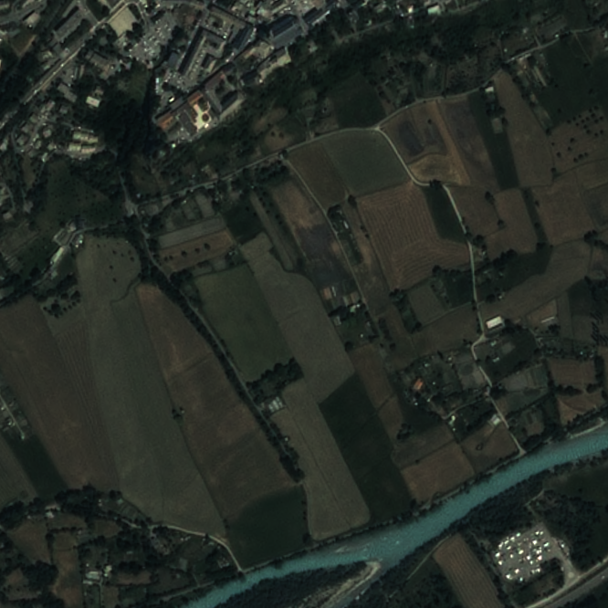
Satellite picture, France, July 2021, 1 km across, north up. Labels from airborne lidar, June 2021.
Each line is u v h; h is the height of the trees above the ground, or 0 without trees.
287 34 0
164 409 0
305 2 0
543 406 11
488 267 10
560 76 0
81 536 0
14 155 9
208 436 0
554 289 0
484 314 0
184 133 0
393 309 0
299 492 0
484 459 0
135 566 16
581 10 0
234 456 0
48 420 0
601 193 0
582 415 7
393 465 0
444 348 0
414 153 0
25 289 9
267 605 9
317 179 0
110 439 0
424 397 14
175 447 0
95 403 0
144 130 12
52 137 6
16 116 13
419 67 9
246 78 0
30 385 0
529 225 0
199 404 0
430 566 0
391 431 0
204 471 0
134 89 0
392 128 0
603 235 0
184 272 13
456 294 0
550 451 0
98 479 0
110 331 0
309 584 11
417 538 0
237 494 0
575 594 0
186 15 0
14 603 7
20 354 0
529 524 9
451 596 25
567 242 0
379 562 0
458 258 0
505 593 19
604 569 0
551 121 0
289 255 0
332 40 14
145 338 0
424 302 0
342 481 0
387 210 0
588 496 0
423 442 0
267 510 0
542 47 0
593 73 0
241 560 0
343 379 0
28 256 0
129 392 0
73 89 13
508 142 0
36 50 8
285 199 0
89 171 7
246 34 0
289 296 0
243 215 0
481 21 7
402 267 0
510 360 0
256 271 0
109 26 7
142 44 0
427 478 0
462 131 0
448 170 0
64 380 0
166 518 0
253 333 0
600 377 10
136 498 0
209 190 9
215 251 0
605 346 0
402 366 0
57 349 0
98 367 0
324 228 0
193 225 0
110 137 15
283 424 0
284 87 6
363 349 0
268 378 14
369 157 0
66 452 0
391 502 0
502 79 0
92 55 0
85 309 0
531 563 0
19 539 0
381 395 0
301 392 0
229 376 16
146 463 0
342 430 0
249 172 10
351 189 0
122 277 0
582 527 9
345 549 0
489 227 0
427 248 0
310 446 0
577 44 0
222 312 0
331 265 0
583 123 6
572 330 0
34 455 0
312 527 0
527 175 0
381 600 9
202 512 0
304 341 0
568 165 0
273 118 0
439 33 11
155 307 0
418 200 0
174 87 14
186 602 19
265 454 0
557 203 0
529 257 0
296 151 0
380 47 8
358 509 0
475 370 0
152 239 8
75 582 0
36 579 13
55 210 0
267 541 0
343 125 0
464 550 0
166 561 6
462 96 0
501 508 11
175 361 0
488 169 0
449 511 0
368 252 0
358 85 0
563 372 0
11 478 0
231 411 0
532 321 0
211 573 9
